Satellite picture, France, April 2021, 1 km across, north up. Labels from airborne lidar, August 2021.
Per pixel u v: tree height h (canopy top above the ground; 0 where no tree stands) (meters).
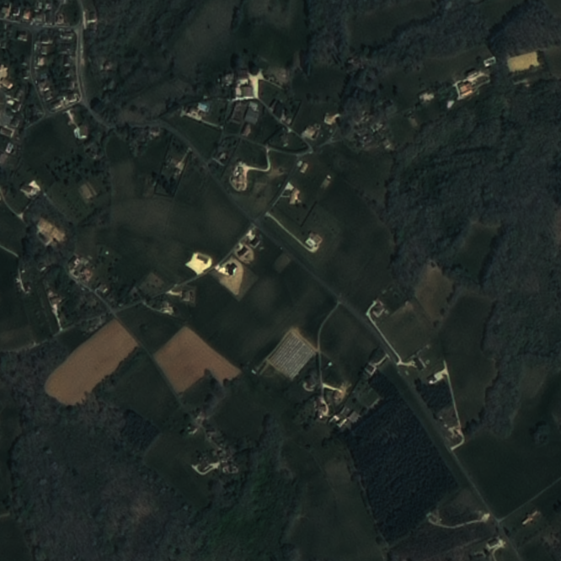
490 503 0
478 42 19
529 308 13
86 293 8
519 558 0
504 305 13
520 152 20
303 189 0
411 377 0
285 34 0
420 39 17
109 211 0
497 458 0
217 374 0
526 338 14
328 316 0
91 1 0
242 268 0
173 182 13
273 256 0
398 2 12
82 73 0
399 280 18
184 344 0
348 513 0
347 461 7
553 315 6
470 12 15
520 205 18
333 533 0
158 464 0
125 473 15
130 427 17
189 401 0
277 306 0
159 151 0
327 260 0
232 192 0
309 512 0
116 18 16
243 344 0
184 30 0
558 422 0
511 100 9
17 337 0
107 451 13
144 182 0
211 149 0
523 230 20
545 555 0
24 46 0
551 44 17
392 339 0
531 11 21
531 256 13
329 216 0
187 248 0
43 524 18
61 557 19
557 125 17
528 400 0
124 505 12
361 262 0
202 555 18
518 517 0
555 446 0
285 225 0
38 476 21
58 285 12
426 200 8
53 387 0
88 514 21
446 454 0
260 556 9
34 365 8
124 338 0
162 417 0
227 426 0
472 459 0
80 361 0
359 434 22
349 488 0
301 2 0
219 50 0
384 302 0
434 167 8
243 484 9
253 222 0
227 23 0
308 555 0
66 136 0
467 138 7
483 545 0
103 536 21
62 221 19
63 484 20
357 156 0
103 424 15
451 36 19
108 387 7
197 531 22
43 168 0
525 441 0
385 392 17
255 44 0
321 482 0
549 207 18
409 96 0
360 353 0
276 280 0
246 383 0
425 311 0
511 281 22
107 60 14
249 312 0
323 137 0
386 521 11
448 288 0
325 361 0
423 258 13
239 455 8
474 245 0
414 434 14
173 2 15
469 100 0
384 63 12
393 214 20
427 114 0
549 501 0
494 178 24
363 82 14
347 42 17
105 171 11
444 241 16
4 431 0
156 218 0
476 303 0
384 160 0
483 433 0
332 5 18
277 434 27
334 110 0
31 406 17
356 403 10
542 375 0
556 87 18
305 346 0
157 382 0
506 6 0
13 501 7
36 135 0
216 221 0
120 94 7
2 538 0
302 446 0
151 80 15
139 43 0
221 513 13
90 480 8
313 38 10
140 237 0
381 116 14
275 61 0
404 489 18
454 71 0
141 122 0
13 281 0
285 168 0
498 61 16
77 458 14
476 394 0
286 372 0
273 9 6
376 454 10
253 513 27
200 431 0
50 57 7
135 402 0
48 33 7
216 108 0
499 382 12
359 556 0
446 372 0
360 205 0
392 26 0
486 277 18
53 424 6
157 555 17
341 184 0
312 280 0
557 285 12
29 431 11
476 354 0
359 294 0
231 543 13
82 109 17
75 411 13
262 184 0
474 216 27
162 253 0
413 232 14
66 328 0
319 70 0
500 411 23
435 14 0
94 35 16
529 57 0
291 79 11
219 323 0
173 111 9
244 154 0
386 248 0
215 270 0
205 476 0
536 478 0
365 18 0
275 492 6
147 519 12
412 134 0
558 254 15
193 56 0
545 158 25
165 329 0
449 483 18
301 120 0
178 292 0
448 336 0
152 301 14
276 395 0
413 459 19
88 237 0
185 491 0
